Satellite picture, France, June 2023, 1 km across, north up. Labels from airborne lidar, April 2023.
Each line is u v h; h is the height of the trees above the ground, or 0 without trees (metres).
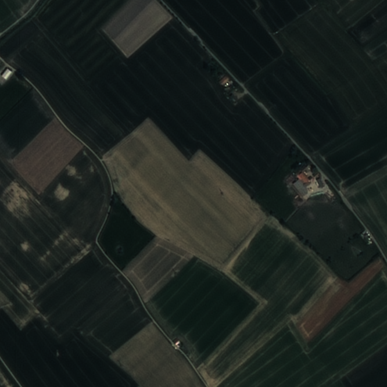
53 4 0
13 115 0
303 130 0
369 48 0
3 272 0
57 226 0
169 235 0
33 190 0
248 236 0
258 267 0
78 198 0
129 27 0
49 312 0
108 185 0
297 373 0
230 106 0
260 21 0
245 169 0
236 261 0
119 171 0
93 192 0
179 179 0
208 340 0
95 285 0
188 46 0
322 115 0
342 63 0
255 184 0
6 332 0
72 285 0
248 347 0
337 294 0
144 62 0
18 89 0
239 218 0
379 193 0
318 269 0
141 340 0
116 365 0
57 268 0
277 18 0
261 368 0
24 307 0
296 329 0
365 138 0
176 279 0
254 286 0
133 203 0
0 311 0
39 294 0
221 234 0
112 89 0
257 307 0
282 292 0
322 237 0
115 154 0
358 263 0
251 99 0
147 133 0
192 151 0
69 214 0
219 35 0
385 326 0
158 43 0
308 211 0
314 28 0
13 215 0
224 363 0
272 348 0
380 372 0
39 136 0
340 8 0
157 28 0
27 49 0
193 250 0
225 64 0
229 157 0
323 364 0
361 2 0
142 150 0
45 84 0
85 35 0
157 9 0
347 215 0
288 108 0
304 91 0
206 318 0
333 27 0
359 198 0
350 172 0
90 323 0
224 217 0
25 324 0
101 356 0
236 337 0
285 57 0
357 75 0
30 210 0
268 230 0
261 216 0
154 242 0
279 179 0
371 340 0
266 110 0
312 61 0
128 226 0
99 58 0
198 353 0
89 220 0
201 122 0
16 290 0
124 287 0
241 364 0
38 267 0
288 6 0
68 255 0
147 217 0
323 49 0
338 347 0
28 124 0
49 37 0
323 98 0
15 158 0
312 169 14
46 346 0
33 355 0
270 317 0
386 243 0
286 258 0
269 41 0
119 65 0
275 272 0
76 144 0
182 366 0
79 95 0
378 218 0
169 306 0
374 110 0
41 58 0
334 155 0
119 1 0
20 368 0
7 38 0
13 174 0
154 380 0
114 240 0
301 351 0
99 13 0
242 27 0
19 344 0
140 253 0
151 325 0
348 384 0
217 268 0
